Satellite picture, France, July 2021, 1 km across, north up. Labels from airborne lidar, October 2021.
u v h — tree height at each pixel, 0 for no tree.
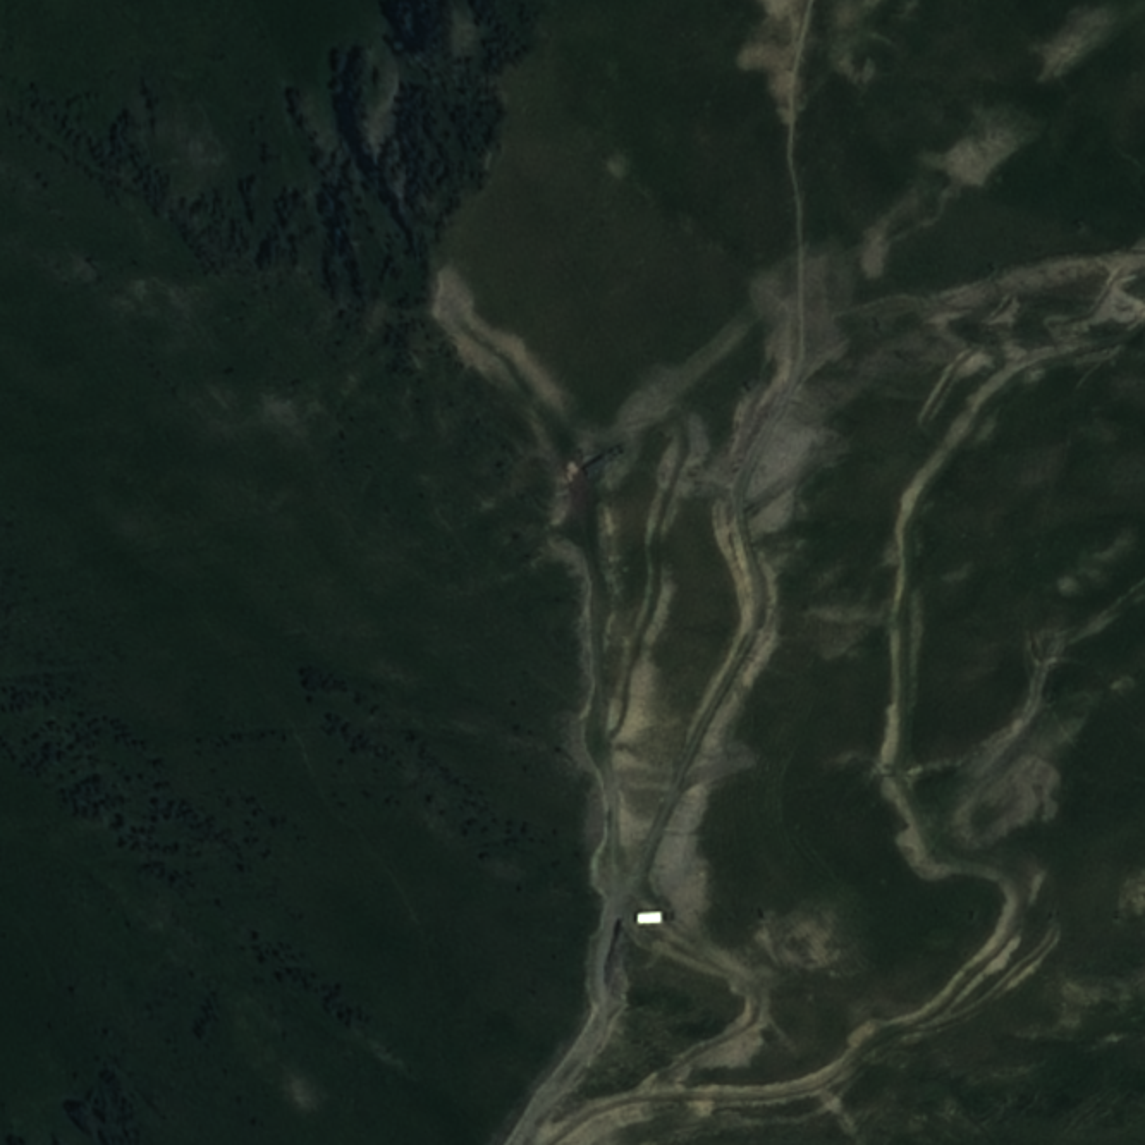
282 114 0
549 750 0
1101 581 0
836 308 0
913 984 0
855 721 0
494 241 0
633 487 0
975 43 0
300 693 0
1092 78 0
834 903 0
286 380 0
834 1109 0
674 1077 0
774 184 0
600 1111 0
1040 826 0
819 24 0
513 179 0
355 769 0
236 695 0
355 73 13
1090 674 0
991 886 0
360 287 8
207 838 9
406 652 0
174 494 0
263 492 0
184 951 0
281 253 8
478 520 0
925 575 0
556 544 0
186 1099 0
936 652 0
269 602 0
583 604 0
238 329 0
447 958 0
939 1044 0
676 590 0
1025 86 0
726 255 0
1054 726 0
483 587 0
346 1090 0
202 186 0
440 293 0
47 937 0
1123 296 0
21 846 0
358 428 0
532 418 0
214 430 0
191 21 0
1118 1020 0
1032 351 0
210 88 0
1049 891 0
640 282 0
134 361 0
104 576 0
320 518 0
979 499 0
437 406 0
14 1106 0
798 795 0
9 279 0
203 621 0
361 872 0
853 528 0
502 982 0
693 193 0
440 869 0
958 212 0
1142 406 0
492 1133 0
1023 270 0
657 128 0
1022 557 0
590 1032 0
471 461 0
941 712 0
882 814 0
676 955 0
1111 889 0
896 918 0
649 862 0
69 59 0
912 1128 0
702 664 0
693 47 0
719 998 0
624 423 0
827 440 0
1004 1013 0
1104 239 0
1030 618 0
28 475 0
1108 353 0
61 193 0
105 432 0
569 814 0
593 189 0
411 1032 0
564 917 0
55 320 0
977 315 0
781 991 0
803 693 0
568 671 0
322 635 0
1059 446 0
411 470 0
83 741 11
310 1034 0
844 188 0
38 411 0
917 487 0
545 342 0
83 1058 0
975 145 0
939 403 0
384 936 0
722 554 0
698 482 0
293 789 0
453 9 9
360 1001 0
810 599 0
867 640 0
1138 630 0
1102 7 0
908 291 0
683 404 0
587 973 0
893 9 0
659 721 0
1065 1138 0
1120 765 0
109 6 0
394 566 0
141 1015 0
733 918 0
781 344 0
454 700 0
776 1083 0
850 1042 0
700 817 0
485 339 0
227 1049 0
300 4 0
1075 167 0
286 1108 0
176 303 0
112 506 0
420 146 9
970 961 0
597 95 0
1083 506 0
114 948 0
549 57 0
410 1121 0
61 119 8
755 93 0
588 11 0
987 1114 0
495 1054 0
